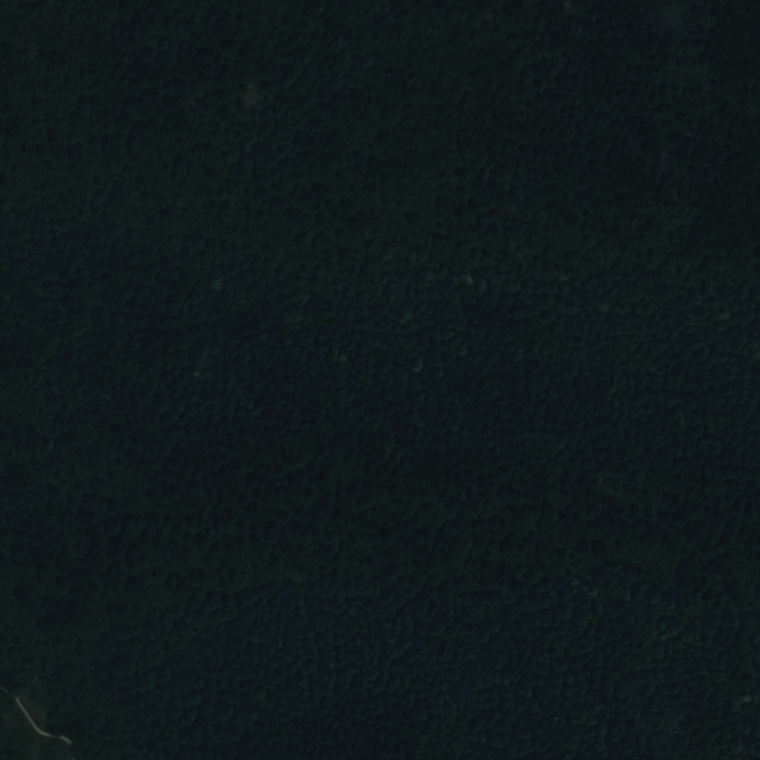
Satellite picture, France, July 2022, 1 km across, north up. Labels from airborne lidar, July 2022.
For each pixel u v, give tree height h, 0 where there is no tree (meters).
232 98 14
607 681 25
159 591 11
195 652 8
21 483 19
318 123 21
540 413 31
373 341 30
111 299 30
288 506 11
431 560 25
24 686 9
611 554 10
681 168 21
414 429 21
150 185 10
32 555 27
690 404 30
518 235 28
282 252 13
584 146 30
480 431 32
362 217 25
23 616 11
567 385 36
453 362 23
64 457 15
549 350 10
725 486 13
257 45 11
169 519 33
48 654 9
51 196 18
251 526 9
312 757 28
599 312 29
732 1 22
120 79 25
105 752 25
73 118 27
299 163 18
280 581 8
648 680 16
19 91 12
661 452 27
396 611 19
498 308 33
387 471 22
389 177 28
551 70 37
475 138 23
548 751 25
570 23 34
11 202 22
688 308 24
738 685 32
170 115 33
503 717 24
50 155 10
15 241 27
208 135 11
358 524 29
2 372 21
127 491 17
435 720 28
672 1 8
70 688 8
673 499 20
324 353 29
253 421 34
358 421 30
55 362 20
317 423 32
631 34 33
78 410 8
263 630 30
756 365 14
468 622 12
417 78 17
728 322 28
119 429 24
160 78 26
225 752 29
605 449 27
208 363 23
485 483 23
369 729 30
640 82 19
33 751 0
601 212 20
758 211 21
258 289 21
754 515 29
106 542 7
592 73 35
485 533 28
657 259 23
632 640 32
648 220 28
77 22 22
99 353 29
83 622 12
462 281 36
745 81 7
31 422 11
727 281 10
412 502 16
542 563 19
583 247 11
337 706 29
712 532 31
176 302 34
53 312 21
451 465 21
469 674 10
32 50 26
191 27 19
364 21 11
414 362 27
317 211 9
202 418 31
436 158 22
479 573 10
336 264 31
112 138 28
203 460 31
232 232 10
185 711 23
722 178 30
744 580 11
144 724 31
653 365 26
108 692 30
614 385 29
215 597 30
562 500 9
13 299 30
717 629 22
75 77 12
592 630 20
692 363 35
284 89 25
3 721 8
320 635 39
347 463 7
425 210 9
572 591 24
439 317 28
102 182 27
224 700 12
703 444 28
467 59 9
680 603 37
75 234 26
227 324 16
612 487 6
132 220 13
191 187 11
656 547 11
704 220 29
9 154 25
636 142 26
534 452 25
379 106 18
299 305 24
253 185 9
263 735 25
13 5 7
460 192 15
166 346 22
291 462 27
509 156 28
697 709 23
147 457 14
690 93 22
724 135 23
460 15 20
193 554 12
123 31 33
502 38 11
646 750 12
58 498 27
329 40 20
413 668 40
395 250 13
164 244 12
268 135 18
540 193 35
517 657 31
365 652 35
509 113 26
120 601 15
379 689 22
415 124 11
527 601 30
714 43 28
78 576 30
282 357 30
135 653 29
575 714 36
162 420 26
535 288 17
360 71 13
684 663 23
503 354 10
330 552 32
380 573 10
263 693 26
